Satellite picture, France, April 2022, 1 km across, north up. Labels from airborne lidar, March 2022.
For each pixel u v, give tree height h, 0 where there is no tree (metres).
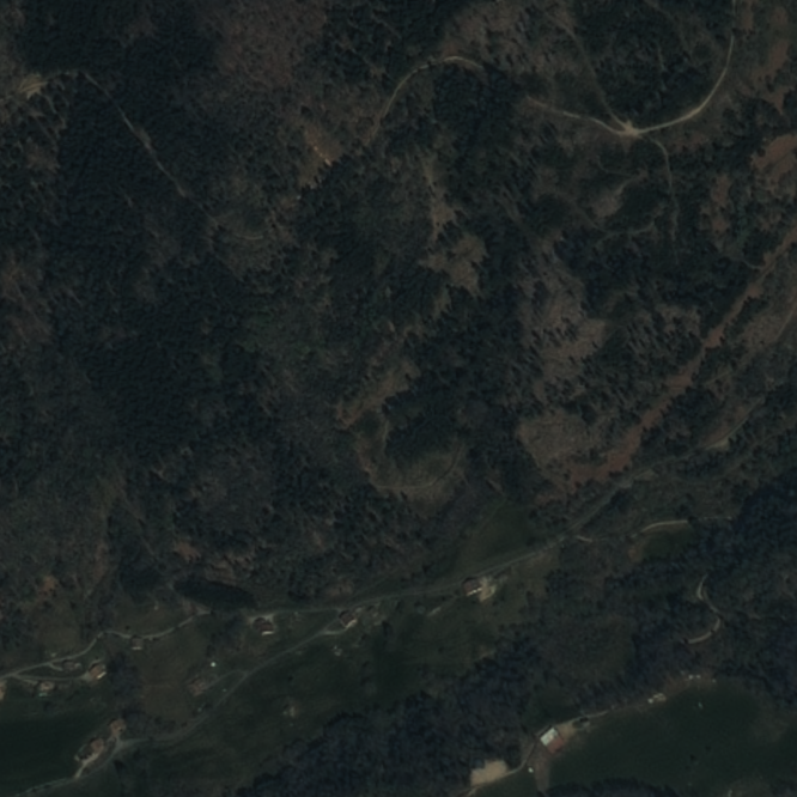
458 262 32
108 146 31
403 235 20
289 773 20
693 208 8
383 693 0
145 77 23
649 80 10
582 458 7
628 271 41
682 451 18
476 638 0
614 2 8
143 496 17
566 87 0
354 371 20
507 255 20
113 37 14
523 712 21
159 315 29
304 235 29
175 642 0
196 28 23
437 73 30
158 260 22
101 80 23
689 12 36
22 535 19
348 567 16
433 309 25
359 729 10
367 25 26
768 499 19
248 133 21
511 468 30
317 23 19
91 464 28
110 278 26
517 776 0
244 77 18
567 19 0
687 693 0
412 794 13
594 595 18
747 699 0
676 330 22
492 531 0
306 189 20
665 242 9
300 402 23
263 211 12
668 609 26
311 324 14
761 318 0
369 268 14
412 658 0
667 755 0
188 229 21
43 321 26
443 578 0
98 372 25
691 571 20
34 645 23
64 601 0
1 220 28
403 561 25
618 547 26
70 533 20
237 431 28
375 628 0
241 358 25
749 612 24
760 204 9
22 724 0
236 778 0
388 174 22
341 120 18
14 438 11
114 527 20
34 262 23
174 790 0
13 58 25
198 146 20
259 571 6
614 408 37
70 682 0
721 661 7
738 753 0
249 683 0
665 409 0
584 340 0
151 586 15
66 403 22
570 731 0
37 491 21
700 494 8
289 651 0
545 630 14
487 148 39
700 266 8
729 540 24
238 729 0
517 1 29
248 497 20
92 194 32
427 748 25
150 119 26
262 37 15
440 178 0
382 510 35
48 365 18
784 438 9
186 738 0
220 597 19
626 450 0
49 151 38
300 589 15
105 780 0
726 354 9
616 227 9
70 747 0
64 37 29
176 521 7
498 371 24
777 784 0
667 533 0
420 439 33
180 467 23
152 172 26
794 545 25
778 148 0
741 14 7
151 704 0
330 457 23
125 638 0
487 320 22
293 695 0
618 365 7
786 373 18
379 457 0
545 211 10
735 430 14
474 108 22
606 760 0
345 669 0
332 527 7
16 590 27
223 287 25
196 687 0
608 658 0
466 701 23
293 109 24
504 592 0
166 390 32
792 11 0
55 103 11
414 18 26
